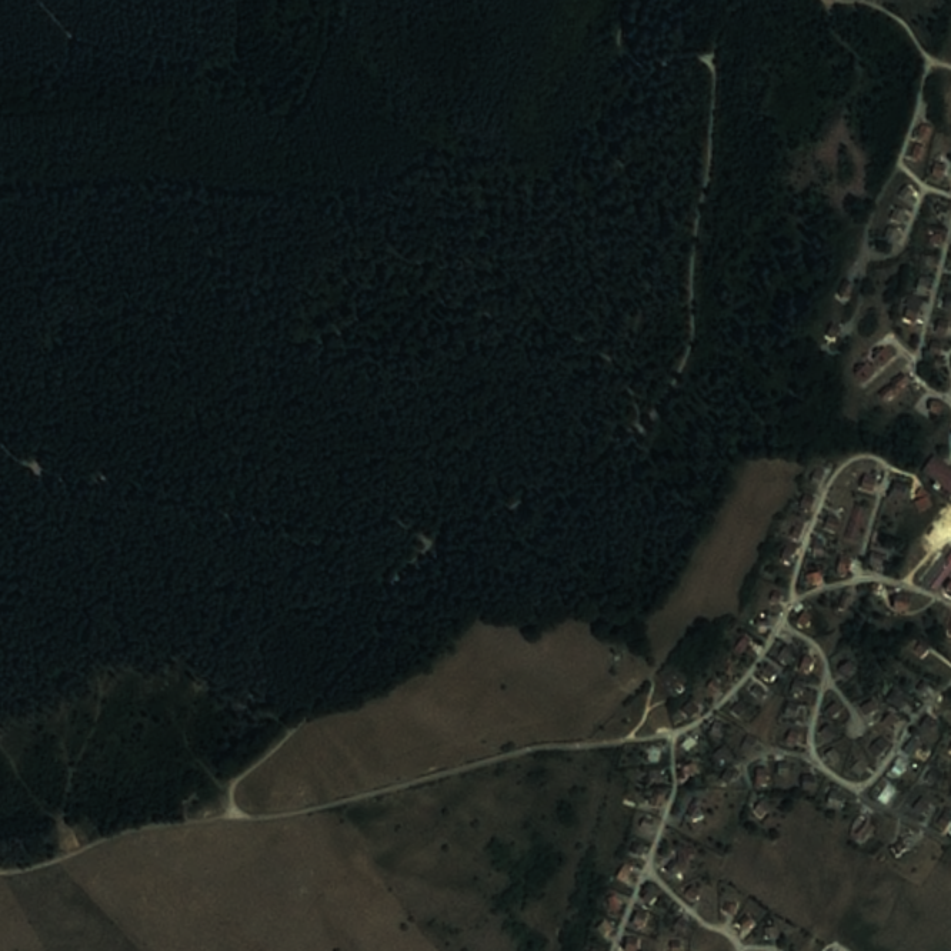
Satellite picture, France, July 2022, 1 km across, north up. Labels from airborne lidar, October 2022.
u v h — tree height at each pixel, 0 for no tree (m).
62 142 15
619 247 30
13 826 10
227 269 32
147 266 28
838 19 10
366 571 34
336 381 28
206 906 0
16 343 28
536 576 36
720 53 14
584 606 28
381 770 0
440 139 10
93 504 31
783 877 0
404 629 26
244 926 0
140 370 27
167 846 0
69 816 7
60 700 31
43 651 32
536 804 0
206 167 13
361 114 13
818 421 12
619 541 28
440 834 0
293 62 7
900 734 0
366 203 30
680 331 21
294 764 0
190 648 39
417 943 0
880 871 0
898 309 8
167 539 33
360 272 26
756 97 17
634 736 0
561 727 0
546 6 17
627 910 0
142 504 33
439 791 0
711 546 0
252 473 29
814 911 0
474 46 14
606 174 33
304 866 0
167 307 30
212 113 14
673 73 26
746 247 16
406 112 14
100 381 28
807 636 0
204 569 33
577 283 27
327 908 0
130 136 10
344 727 0
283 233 30
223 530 31
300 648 20
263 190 12
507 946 0
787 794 9
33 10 24
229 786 0
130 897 0
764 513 0
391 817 0
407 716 0
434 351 31
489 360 32
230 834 0
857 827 0
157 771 6
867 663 6
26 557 34
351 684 27
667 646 0
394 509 29
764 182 19
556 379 35
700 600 0
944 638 13
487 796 0
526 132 15
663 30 41
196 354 32
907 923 0
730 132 6
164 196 30
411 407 31
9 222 27
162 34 31
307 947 0
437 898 0
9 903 0
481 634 0
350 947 0
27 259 28
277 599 33
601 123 9
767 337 39
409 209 6
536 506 35
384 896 0
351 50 9
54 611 34
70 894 0
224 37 25
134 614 32
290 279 30
